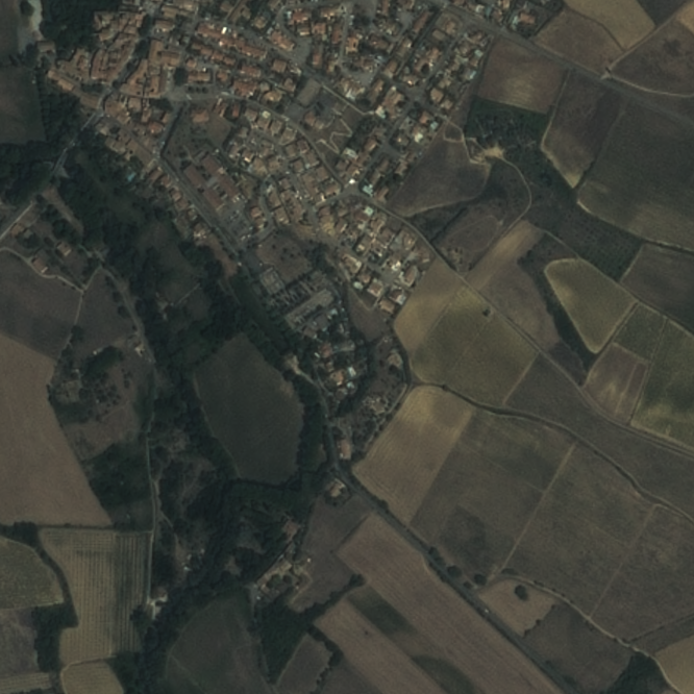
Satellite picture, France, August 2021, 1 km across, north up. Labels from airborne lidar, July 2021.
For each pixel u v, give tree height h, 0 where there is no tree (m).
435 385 0
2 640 0
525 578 0
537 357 0
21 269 0
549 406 0
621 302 0
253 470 0
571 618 0
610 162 0
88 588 0
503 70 0
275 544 20
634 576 0
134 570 0
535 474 0
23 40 0
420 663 0
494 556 0
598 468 0
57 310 0
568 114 0
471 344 0
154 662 29
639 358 0
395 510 0
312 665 0
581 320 0
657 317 0
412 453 0
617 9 0
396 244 0
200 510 11
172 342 27
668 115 0
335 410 9
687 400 0
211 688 0
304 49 0
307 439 22
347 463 7
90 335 0
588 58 0
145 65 0
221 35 0
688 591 0
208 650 0
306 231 0
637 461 0
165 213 16
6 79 0
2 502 0
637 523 0
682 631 0
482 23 0
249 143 0
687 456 0
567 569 0
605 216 0
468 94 0
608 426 0
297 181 0
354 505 0
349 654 0
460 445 0
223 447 22
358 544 0
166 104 8
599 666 0
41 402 0
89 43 15
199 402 26
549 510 0
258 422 0
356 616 0
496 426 0
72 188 30
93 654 0
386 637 0
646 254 0
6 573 0
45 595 0
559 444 0
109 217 31
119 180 10
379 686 0
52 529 0
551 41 0
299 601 0
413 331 0
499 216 0
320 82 0
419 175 0
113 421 0
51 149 18
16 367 0
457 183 0
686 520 0
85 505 0
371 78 0
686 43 0
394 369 10
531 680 0
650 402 0
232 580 25
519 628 0
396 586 0
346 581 0
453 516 0
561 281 0
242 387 0
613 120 0
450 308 0
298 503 30
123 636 0
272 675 9
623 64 0
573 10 0
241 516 12
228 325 17
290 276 0
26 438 0
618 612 0
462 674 0
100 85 8
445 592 0
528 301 0
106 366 19
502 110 0
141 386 0
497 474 0
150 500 0
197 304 0
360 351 13
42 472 0
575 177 0
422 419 0
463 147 0
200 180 0
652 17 0
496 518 0
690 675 0
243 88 0
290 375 17
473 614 0
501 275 0
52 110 7
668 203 0
